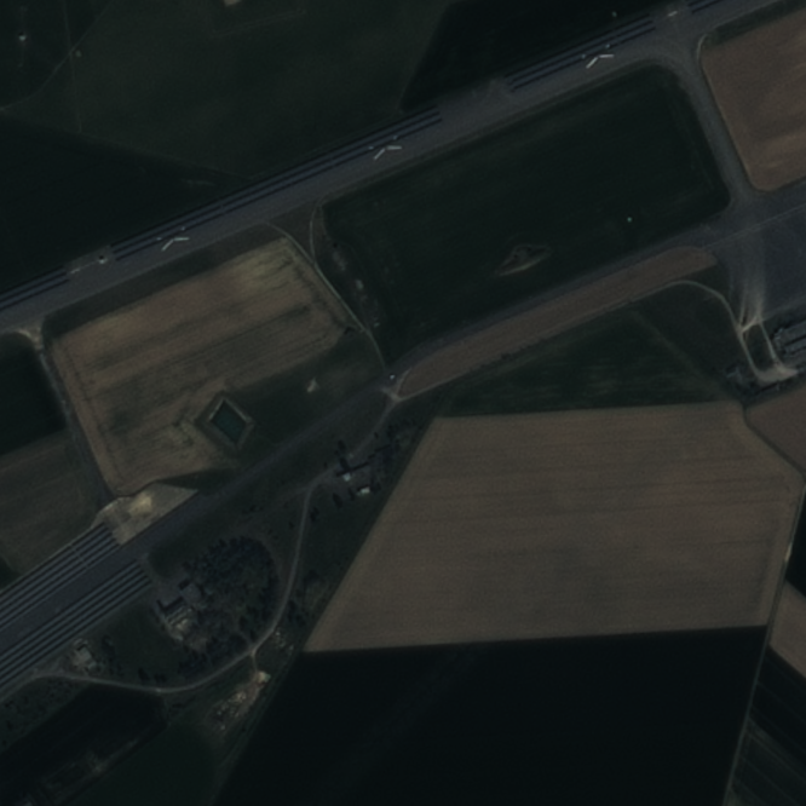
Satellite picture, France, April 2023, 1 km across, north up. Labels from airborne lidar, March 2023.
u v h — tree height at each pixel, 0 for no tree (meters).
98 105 0
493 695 0
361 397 0
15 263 0
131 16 0
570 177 0
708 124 0
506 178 0
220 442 0
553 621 0
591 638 0
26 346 0
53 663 0
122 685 0
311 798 0
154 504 0
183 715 0
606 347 0
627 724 0
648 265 0
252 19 0
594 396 0
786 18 0
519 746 0
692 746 0
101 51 0
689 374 0
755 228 0
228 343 0
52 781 0
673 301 0
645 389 0
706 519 0
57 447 0
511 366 0
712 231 0
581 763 0
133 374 0
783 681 0
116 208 0
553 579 0
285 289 0
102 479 0
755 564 0
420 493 0
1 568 0
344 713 0
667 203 0
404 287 0
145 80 0
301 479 0
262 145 0
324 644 0
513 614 0
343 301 0
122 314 0
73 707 0
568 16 0
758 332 0
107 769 0
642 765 0
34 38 0
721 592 0
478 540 0
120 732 0
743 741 0
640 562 0
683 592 0
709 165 0
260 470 0
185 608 0
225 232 0
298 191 0
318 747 0
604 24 0
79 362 0
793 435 0
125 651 0
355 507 0
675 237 0
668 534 0
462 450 0
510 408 0
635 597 0
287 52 0
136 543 0
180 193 0
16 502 0
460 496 0
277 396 0
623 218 0
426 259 0
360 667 0
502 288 0
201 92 0
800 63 0
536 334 0
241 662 0
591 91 0
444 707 0
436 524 0
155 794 0
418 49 0
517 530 0
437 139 0
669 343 0
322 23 0
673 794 0
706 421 0
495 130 0
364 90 0
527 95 0
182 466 0
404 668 0
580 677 0
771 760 0
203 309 0
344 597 0
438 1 0
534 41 0
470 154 0
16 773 0
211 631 8
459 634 0
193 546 0
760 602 0
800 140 0
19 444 0
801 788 0
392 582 0
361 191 0
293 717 0
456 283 0
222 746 0
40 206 0
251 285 0
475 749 0
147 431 0
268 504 0
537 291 0
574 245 0
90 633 0
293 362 0
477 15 0
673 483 0
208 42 0
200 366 0
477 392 0
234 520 0
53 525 0
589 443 0
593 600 0
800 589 0
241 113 0
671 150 0
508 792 0
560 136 0
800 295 0
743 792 0
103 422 0
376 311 0
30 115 0
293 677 0
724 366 0
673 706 0
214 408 0
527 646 0
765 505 0
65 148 0
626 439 0
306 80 0
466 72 0
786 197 0
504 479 0
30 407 0
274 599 13
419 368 0
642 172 0
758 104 0
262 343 0
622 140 0
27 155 0
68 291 0
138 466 0
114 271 0
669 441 0
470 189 0
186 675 10
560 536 0
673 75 0
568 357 0
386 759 0
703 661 0
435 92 0
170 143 0
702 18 0
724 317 0
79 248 0
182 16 0
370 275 0
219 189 0
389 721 0
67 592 0
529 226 0
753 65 0
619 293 0
